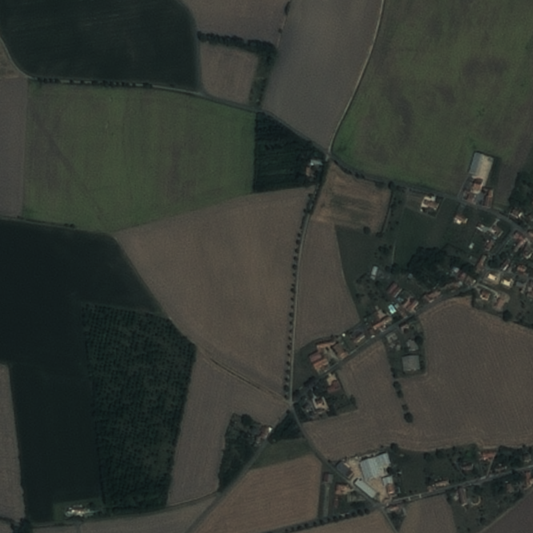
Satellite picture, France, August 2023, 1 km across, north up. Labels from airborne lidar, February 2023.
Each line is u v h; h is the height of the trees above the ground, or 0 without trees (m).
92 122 0
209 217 0
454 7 0
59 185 0
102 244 0
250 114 0
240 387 0
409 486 0
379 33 0
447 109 0
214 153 0
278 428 5
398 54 0
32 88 0
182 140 0
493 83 0
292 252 0
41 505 0
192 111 0
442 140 0
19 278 0
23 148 0
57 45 0
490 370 0
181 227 0
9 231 0
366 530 0
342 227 0
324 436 0
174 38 0
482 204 11
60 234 0
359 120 0
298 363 0
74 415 0
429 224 0
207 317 0
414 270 7
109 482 11
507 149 0
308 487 0
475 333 0
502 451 6
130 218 0
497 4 0
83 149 0
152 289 0
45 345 0
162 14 0
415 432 0
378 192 0
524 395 0
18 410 0
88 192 0
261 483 0
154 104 0
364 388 0
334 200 0
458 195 0
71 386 0
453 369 0
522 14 0
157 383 6
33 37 0
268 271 0
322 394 6
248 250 0
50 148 0
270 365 0
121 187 0
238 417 0
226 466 0
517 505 0
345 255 0
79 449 0
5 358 0
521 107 0
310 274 0
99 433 7
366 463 0
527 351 0
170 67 0
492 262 8
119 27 0
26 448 0
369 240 0
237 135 0
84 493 0
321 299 0
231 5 0
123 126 0
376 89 0
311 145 9
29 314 0
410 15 0
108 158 0
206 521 0
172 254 0
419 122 0
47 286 0
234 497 0
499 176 0
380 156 0
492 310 0
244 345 0
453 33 0
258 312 0
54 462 0
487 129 0
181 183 0
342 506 0
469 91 0
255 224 0
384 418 0
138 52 0
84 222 0
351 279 0
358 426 0
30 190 0
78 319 0
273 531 0
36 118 0
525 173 0
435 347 0
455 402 0
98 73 0
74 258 0
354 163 0
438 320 0
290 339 6
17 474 0
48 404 0
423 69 0
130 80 0
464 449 0
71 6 0
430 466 0
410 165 0
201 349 0
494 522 0
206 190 0
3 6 0
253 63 0
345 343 0
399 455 0
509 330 0
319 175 11
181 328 0
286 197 0
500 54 0
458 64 0
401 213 0
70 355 0
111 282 0
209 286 0
